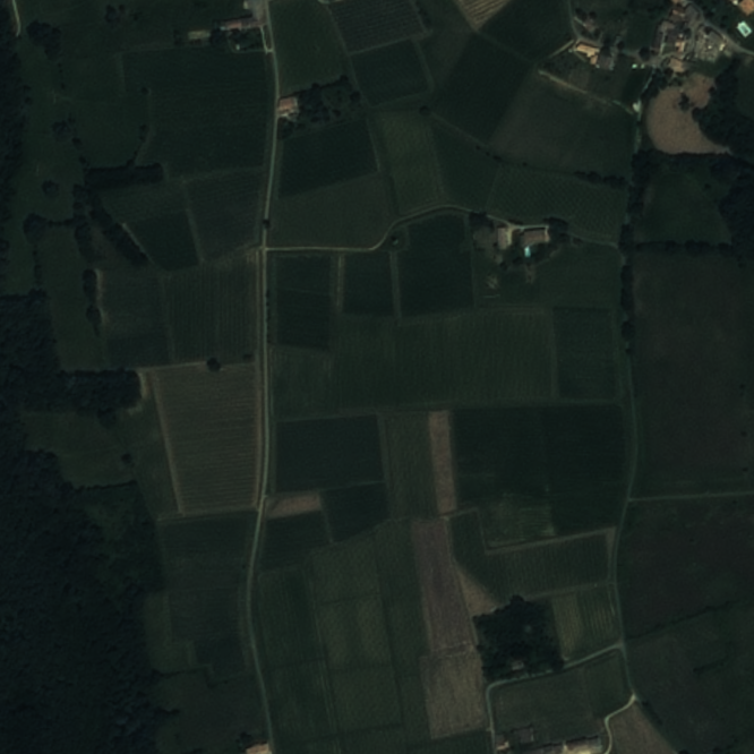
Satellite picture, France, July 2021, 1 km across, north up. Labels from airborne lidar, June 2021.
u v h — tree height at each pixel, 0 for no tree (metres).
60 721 23
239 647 0
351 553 0
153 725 19
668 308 0
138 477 0
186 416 0
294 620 0
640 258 0
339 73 0
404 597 0
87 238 19
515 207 0
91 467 0
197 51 0
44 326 21
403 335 0
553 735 0
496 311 0
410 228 0
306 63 0
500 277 0
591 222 0
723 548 0
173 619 0
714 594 0
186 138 0
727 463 0
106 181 11
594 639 0
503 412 0
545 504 0
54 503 22
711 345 0
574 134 0
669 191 0
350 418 0
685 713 0
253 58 0
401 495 0
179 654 0
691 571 0
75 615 27
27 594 28
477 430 0
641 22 0
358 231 0
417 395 0
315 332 0
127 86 0
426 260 0
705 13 8
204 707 0
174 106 0
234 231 0
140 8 0
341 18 0
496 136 0
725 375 0
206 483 0
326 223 0
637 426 0
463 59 0
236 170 0
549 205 0
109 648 24
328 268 0
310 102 10
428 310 0
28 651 26
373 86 0
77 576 28
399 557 0
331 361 0
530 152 0
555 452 0
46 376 23
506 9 0
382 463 0
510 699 0
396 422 0
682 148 0
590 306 0
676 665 0
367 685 0
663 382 0
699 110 8
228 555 0
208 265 0
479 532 0
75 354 0
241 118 0
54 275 0
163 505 0
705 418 0
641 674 0
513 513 0
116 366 0
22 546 30
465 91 0
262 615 0
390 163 0
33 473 38
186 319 0
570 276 0
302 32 0
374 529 0
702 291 0
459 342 0
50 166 0
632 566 0
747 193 25
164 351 0
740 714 0
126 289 0
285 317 0
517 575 0
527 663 5
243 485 0
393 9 0
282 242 0
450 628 0
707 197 0
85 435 0
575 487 0
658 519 0
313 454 0
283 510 0
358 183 0
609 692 0
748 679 0
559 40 0
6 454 28
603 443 0
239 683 0
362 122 0
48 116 0
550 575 0
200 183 0
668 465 0
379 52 0
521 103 0
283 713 0
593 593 0
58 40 20
